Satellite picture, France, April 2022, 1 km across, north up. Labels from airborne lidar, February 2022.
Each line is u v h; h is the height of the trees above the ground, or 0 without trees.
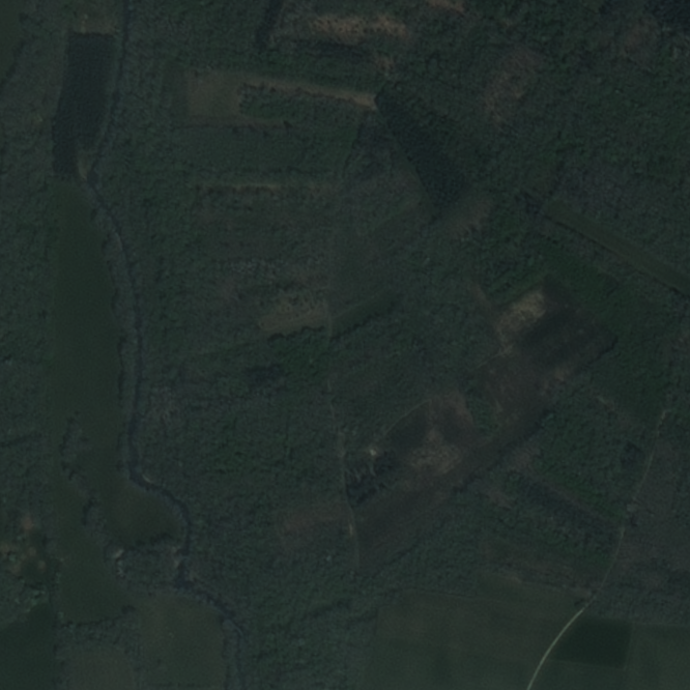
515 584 0
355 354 21
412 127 19
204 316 20
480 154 15
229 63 17
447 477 0
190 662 0
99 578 0
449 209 16
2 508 8
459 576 11
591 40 22
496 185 17
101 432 0
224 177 17
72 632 15
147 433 12
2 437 20
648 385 12
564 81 21
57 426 0
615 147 19
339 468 20
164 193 20
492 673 0
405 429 0
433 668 0
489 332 18
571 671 0
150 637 0
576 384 12
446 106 16
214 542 19
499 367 0
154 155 14
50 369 10
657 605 7
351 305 11
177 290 19
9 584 21
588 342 0
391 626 0
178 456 13
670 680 0
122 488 0
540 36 24
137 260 16
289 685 21
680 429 13
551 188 0
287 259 6
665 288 12
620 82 15
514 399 0
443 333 23
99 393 0
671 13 22
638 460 27
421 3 18
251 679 18
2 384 21
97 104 19
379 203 25
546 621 0
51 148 23
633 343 9
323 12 20
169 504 18
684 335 18
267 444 17
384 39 19
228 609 15
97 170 22
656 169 16
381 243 0
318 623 19
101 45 19
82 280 0
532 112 24
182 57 19
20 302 17
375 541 0
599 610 7
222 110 0
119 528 0
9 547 0
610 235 0
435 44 20
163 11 22
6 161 20
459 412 0
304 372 16
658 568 6
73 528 0
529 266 17
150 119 23
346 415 7
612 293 10
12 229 17
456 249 18
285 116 18
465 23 24
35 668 0
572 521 20
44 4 21
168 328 21
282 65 17
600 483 21
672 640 0
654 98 12
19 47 0
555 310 0
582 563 14
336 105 14
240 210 15
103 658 0
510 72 27
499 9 22
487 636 0
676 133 16
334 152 16
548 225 19
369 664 0
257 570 21
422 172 17
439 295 19
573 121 22
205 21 22
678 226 20
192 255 20
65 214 0
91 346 0
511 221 17
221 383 20
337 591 16
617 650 0
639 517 23
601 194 20
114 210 18
